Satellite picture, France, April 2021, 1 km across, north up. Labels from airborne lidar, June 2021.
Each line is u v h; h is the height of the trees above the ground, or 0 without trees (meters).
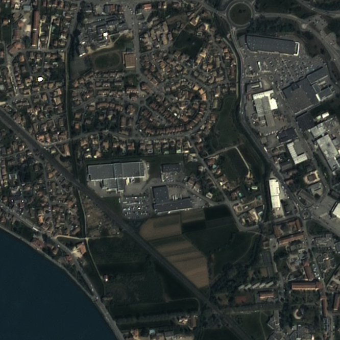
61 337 0
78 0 0
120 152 10
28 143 0
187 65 7
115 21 0
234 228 0
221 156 6
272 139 0
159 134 8
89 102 0
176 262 0
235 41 0
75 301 0
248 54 0
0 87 0
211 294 9
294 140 7
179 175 0
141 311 0
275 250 0
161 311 0
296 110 0
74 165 0
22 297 0
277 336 0
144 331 11
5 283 0
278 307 19
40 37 9
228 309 20
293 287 0
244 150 0
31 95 0
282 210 0
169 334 0
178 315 21
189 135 0
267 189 8
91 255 0
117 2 0
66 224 0
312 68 0
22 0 0
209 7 0
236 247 0
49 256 12
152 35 0
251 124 0
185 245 0
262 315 0
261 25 18
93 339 0
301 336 0
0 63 6
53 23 9
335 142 0
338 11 0
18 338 0
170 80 7
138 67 0
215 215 0
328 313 0
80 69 0
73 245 12
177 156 0
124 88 8
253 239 0
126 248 0
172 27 6
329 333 0
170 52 8
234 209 0
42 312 0
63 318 0
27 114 7
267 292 0
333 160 0
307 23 0
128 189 0
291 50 0
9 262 0
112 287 0
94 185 0
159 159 0
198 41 0
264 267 0
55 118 0
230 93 9
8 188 6
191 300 0
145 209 0
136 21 0
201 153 13
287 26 9
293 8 6
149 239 0
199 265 0
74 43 18
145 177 0
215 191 19
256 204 0
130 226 0
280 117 0
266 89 0
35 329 0
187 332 16
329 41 0
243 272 9
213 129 9
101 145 7
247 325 0
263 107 0
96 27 0
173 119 0
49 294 0
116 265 0
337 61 0
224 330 0
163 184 0
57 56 8
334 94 0
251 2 0
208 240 0
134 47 0
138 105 0
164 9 0
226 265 0
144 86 0
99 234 0
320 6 12
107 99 8
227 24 6
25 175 7
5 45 0
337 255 0
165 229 0
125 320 17
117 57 0
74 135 14
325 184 0
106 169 0
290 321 10
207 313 19
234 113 5
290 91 0
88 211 0
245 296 0
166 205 0
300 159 0
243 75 0
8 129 0
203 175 16
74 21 0
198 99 11
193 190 0
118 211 0
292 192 18
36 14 0
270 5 0
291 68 0
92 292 8
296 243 11
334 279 0
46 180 0
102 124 9
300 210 0
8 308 0
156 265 0
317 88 0
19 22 0
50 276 0
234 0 0
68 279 0
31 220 0
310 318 31
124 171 0
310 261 0
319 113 8
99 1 0
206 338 0
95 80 6
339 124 0
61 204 0
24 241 0
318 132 0
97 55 0
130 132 9
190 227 0
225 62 8
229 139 0
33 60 8
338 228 0
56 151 6
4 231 0
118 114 9
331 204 0
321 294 0
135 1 0
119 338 0
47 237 18
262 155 7
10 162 0
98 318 0
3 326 0
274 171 0
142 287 0
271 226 12
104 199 0
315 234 14
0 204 0
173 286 0
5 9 0
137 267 0
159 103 7
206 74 0
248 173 0
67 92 0
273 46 0
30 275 0
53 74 14
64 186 7
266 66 0
